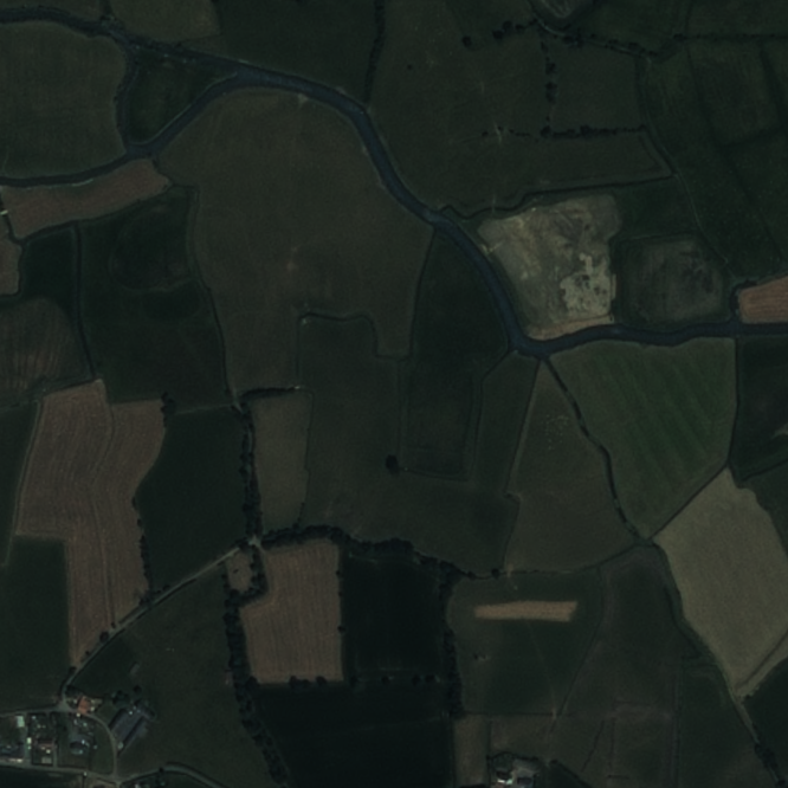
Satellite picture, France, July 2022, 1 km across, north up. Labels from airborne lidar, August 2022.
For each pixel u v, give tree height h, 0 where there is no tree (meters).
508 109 0
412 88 0
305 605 0
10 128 0
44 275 0
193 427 0
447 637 11
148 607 21
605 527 0
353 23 0
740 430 0
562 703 0
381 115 0
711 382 0
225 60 0
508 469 0
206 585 0
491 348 0
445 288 0
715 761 0
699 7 0
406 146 0
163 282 0
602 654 0
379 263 0
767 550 0
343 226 0
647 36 0
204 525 0
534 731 0
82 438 0
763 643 0
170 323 0
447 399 0
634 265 0
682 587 0
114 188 0
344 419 0
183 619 0
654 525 0
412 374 0
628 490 0
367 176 0
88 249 0
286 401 0
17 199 0
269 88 0
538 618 0
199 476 0
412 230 0
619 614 0
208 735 0
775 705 0
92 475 0
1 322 0
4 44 0
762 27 0
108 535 0
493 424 0
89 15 0
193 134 0
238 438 0
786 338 0
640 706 0
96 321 0
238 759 0
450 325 0
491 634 0
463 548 0
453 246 0
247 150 0
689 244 0
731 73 0
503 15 0
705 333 0
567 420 0
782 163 0
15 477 0
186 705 0
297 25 0
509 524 0
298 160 0
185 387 0
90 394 0
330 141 0
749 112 0
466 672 0
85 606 0
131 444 0
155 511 0
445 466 0
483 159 0
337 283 0
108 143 0
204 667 0
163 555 0
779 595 0
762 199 0
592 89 0
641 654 0
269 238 0
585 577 0
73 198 0
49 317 0
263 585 12
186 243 0
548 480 0
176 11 0
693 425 0
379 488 0
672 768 0
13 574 0
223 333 0
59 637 0
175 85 0
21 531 0
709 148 0
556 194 0
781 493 0
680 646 0
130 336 0
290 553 0
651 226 0
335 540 16
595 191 0
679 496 0
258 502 9
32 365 0
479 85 0
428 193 0
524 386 0
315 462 0
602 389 0
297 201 0
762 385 0
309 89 0
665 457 0
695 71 0
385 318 0
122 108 0
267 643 0
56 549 0
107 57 0
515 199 0
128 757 0
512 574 0
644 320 0
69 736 0
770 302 0
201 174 0
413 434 0
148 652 0
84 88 0
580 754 0
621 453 0
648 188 0
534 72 0
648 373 0
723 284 0
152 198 0
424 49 0
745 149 0
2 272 0
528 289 0
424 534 0
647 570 0
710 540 0
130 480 0
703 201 0
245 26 0
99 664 0
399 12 0
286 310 0
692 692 0
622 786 0
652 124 0
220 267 0
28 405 0
